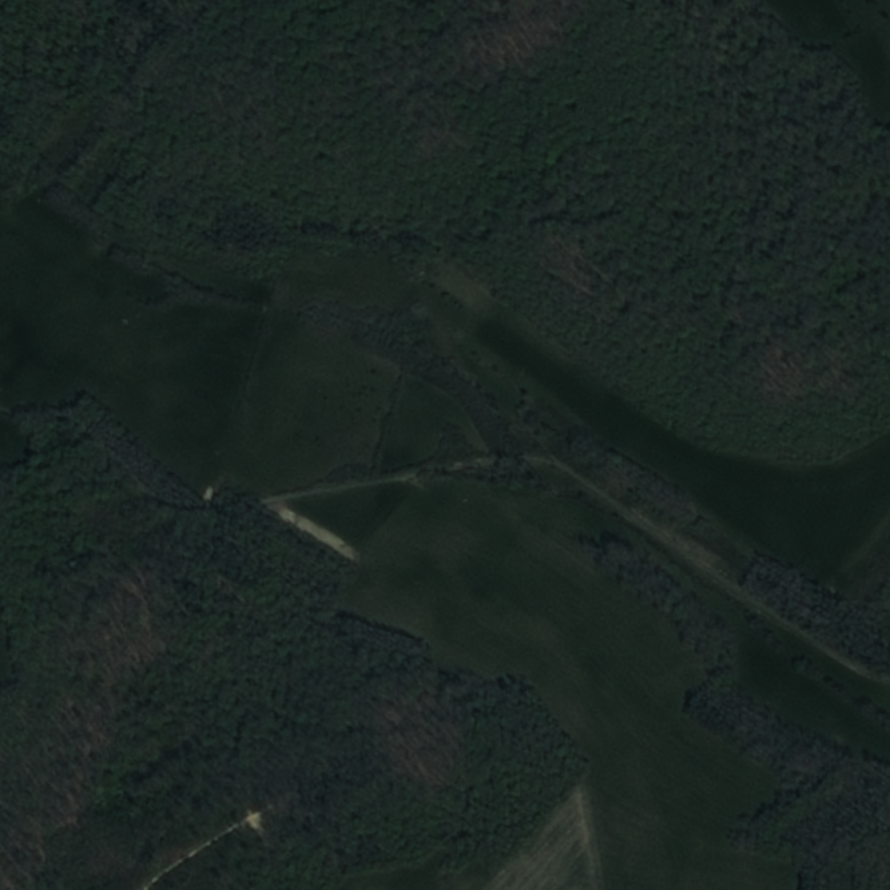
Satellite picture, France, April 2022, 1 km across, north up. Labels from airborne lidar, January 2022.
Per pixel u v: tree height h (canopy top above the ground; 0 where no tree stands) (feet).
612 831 0
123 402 0
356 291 0
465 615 0
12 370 0
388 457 0
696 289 77
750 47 36
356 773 82
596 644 0
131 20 84
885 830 66
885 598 44
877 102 0
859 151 93
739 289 86
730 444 56
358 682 66
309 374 0
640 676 0
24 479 49
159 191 86
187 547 61
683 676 0
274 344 0
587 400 0
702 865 0
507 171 46
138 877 27
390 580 0
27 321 0
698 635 70
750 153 88
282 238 71
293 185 78
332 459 0
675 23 62
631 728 0
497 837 50
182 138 55
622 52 67
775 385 86
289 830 71
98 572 104
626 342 59
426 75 93
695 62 91
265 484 0
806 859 66
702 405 71
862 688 0
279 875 65
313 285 0
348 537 0
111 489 80
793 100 95
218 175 81
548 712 33
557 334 56
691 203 83
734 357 87
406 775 93
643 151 58
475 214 77
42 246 0
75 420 57
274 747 73
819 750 91
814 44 0
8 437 0
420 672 82
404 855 52
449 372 71
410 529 0
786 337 103
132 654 94
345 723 72
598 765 0
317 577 31
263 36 80
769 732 79
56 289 0
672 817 0
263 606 61
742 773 0
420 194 72
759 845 63
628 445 0
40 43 89
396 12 81
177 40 84
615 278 94
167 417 0
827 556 0
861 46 0
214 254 24
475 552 0
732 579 0
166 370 0
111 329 0
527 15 93
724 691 72
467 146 82
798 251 85
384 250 65
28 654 88
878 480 0
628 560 95
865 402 74
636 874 0
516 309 53
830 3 0
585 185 77
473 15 51
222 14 72
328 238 78
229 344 0
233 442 0
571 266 81
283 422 0
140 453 57
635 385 64
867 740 0
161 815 35
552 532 0
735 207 92
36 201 0
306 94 70
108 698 101
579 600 0
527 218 80
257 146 77
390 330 24
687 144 80
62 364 0
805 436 61
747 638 0
